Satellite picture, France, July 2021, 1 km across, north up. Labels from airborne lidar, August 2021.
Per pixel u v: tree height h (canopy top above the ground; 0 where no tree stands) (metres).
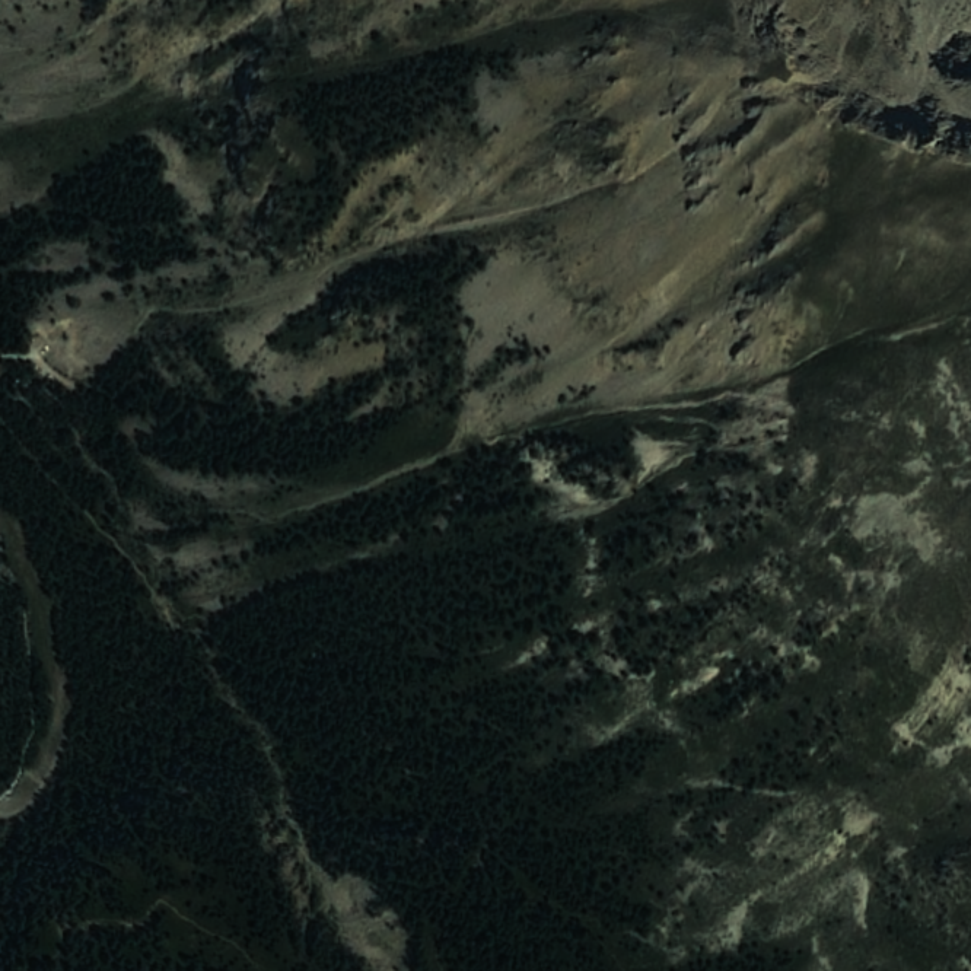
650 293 0
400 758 14
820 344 0
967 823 0
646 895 0
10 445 23
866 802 0
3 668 13
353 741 15
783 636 0
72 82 0
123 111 0
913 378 0
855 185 0
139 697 12
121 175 20
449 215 0
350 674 21
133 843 20
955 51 0
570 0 0
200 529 11
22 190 0
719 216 0
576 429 0
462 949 13
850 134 0
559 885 12
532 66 0
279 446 11
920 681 0
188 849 18
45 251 0
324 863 18
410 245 0
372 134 11
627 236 0
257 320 0
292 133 0
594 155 0
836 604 0
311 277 0
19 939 23
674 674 0
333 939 8
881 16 0
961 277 0
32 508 21
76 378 0
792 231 0
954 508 0
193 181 0
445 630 17
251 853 7
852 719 0
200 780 9
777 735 11
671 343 0
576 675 0
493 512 14
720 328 0
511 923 20
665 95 0
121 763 21
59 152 0
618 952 0
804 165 0
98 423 20
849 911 0
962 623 0
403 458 0
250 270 0
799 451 0
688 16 0
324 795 10
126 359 17
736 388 0
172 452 18
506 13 0
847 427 0
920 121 0
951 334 0
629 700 0
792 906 0
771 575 0
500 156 0
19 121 0
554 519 0
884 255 0
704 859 0
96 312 0
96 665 17
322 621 10
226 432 16
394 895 15
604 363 0
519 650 0
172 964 26
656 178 0
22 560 0
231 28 0
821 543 0
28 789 0
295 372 0
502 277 0
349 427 15
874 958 0
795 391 0
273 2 0
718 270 0
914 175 0
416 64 10
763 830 0
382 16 0
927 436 0
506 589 14
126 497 7
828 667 0
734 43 0
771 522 0
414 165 0
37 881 7
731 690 18
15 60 0
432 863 18
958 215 0
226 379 19
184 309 0
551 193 0
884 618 0
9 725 16
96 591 13
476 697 9
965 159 0
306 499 0
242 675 25
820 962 0
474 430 0
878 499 0
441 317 8
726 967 9
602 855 11
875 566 0
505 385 0
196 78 0
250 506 0
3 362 14
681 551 6
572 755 0
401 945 0
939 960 0
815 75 0
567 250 0
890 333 0
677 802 9
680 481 0
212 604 0
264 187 0
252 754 16
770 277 0
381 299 7
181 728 18
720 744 0
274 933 8
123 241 12
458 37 0
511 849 17
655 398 0
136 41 0
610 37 0
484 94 0
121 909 18
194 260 8
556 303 0
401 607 9
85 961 15
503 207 0
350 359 0
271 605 14
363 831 13
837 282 0
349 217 0
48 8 8
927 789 0
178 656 12
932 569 0
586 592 0
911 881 0
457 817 10
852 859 0
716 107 0
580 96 0
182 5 0
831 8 0
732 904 0
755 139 0
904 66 0
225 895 0
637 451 0
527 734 10
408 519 16
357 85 12
